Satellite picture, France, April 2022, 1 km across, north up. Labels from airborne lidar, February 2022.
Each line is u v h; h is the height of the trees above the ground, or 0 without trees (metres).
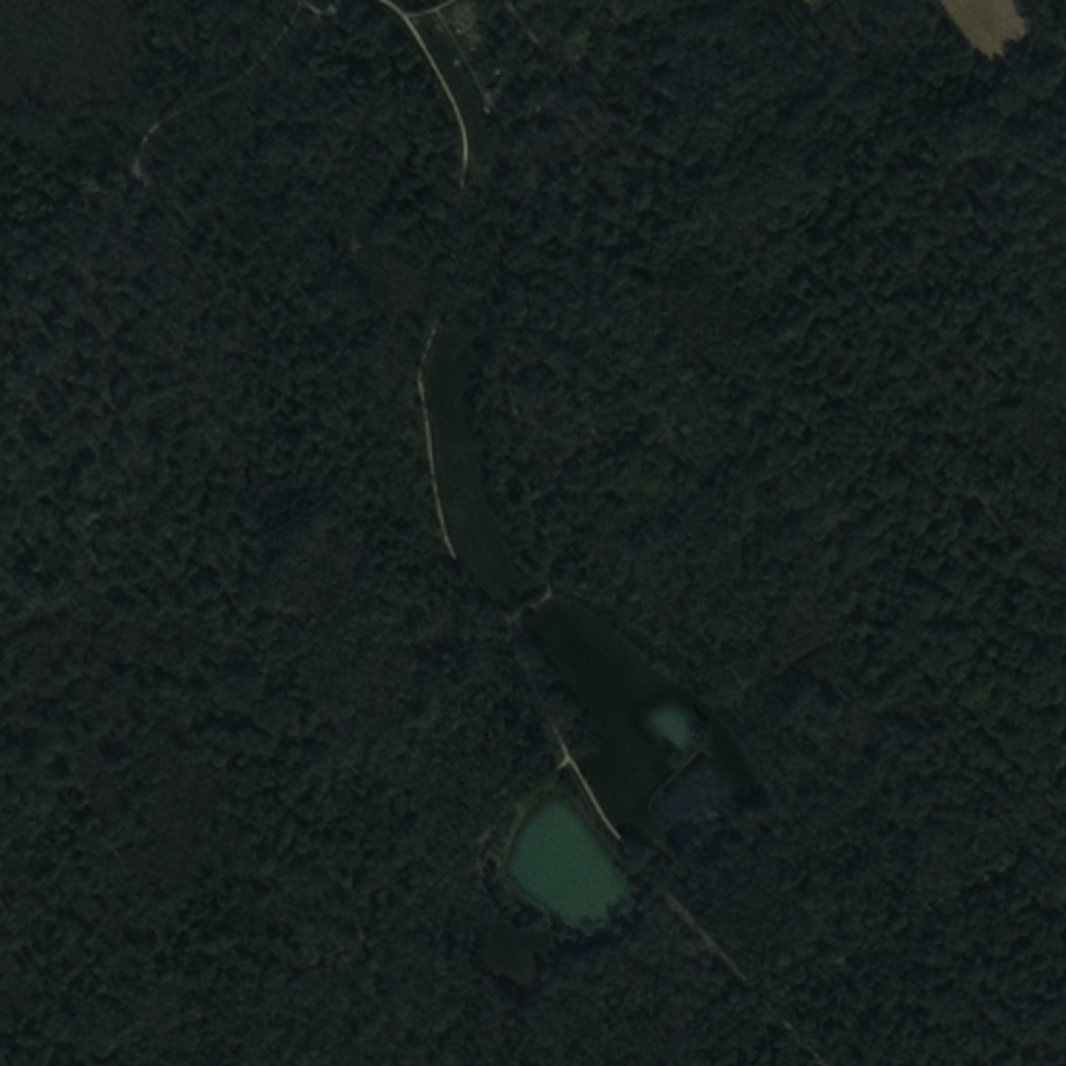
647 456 33
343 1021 30
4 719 14
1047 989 25
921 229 10
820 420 26
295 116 27
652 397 28
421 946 34
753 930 26
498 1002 24
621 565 21
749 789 0
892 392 12
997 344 12
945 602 25
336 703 29
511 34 23
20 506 32
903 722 29
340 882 6
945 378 25
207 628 15
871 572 26
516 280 30
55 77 17
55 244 34
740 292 9
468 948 28
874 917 25
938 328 8
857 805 30
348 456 24
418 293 0
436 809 28
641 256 24
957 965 27
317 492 22
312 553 13
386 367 28
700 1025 22
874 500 20
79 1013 30
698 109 31
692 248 6
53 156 13
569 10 17
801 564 28
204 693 28
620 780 0
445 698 24
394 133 30
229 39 27
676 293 12
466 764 26
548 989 22
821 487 30
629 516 26
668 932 26
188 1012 24
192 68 21
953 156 33
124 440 36
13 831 25
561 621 0
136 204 27
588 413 26
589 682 0
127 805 16
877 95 25
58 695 9
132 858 12
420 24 0
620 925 21
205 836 14
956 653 28
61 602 18
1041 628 10
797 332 19
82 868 8
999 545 22
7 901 10
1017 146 35
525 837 0
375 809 25
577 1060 29
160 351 27
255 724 29
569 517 27
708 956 28
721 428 30
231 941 22
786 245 31
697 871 26
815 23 32
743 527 31
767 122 26
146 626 9
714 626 19
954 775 30
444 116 28
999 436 14
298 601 18
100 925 11
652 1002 14
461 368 0
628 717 0
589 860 0
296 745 27
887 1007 26
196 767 15
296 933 18
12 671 34
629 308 37
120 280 28
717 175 30
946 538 27
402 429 18
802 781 10
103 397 36
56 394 31
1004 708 30
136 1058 21
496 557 0
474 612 27
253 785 21
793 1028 28
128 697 15
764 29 33
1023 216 32
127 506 27
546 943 0
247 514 29
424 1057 31
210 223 13
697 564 21
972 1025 26
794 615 20
